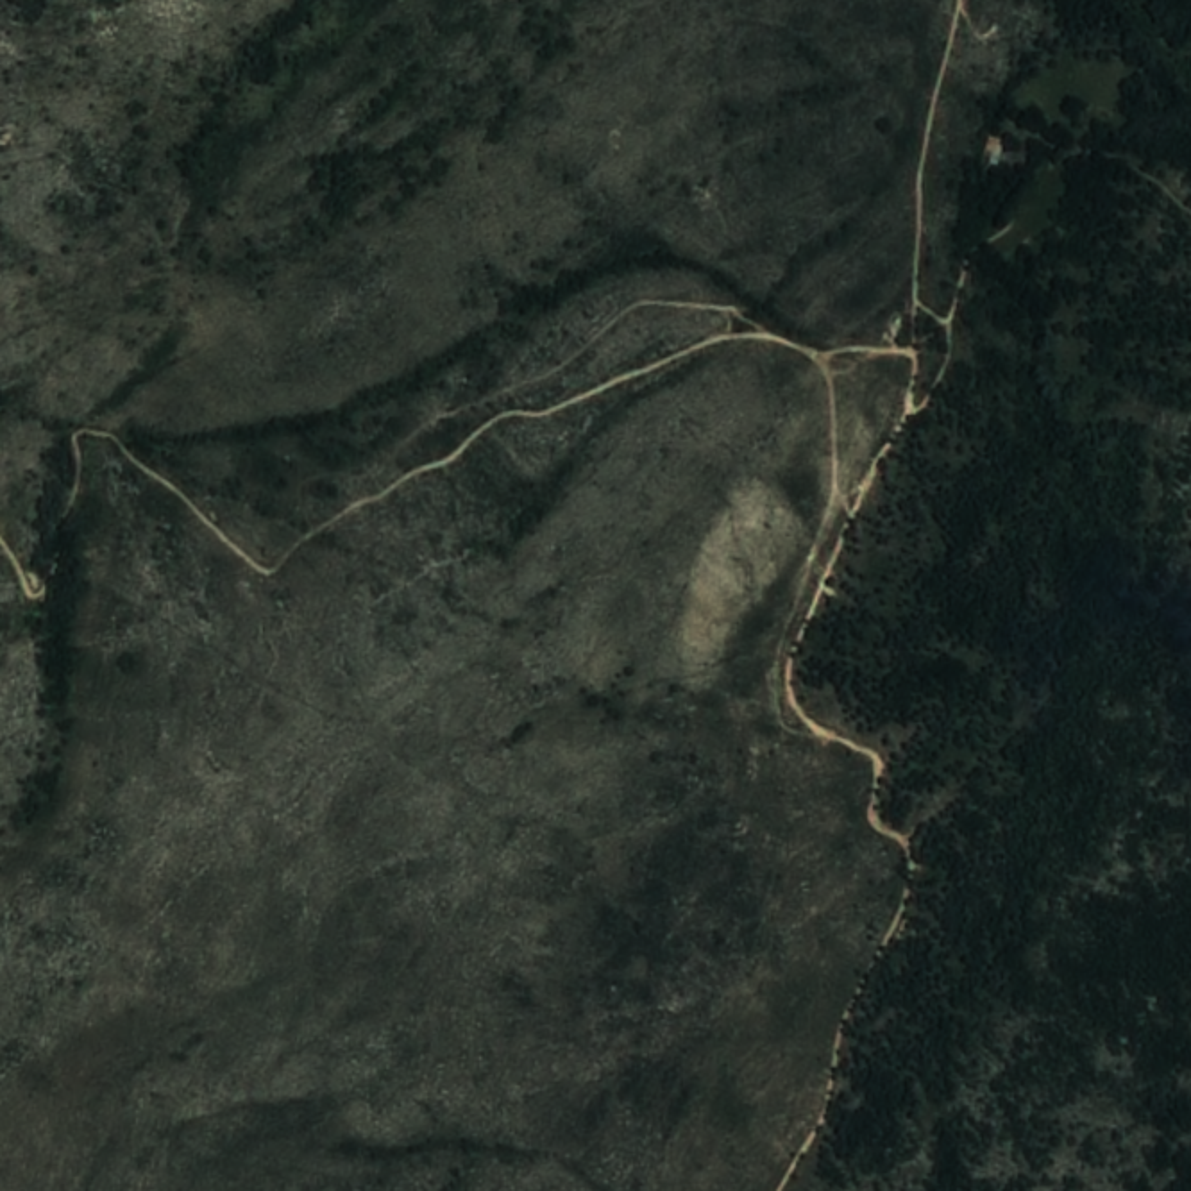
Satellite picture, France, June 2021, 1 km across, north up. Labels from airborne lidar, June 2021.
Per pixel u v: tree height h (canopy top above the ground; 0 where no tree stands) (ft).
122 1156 0
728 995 0
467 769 0
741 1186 0
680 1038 0
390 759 0
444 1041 0
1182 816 22
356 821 0
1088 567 25
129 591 0
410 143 23
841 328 0
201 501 0
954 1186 22
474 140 0
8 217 0
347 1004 0
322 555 0
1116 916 25
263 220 0
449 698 0
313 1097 0
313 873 0
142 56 0
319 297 0
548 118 0
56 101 0
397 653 0
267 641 0
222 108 23
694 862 0
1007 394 22
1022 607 37
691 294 0
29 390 0
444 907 0
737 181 0
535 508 20
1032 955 0
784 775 0
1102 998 21
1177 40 52
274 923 0
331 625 0
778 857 0
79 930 0
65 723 31
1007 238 0
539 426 0
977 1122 21
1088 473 42
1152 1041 22
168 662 0
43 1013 0
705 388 0
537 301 30
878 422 0
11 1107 0
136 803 0
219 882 0
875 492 0
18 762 0
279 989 0
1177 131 39
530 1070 0
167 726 0
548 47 36
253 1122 0
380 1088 0
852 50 0
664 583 0
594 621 0
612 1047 0
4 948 0
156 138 0
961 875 28
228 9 0
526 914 0
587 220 28
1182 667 26
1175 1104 36
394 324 0
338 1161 0
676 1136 0
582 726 0
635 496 0
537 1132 0
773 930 0
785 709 0
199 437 22
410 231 0
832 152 0
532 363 0
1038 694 39
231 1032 0
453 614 0
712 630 0
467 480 0
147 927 0
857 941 0
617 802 0
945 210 0
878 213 0
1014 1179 18
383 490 0
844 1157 21
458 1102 0
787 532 0
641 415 0
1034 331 30
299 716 0
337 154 35
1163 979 22
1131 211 26
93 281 0
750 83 0
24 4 35
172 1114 0
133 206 0
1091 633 23
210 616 0
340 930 0
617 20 0
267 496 0
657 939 0
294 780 0
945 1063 22
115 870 0
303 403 0
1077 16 43
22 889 0
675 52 0
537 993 0
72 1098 0
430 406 0
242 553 0
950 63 0
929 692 40
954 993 36
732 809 0
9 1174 0
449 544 0
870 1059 35
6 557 0
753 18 0
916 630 43
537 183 0
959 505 35
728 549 0
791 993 0
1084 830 24
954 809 36
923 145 0
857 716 36
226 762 0
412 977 0
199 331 0
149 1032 0
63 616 39
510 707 0
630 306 0
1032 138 26
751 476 0
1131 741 23
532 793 0
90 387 0
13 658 0
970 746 44
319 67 0
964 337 0
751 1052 0
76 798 0
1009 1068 22
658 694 0
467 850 0
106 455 0
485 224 0
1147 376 42
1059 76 0
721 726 0
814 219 0
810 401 0
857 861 0
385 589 0
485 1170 0
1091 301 32
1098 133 42
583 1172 0
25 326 0
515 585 0
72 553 35
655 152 0
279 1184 0
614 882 0
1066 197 35
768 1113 0
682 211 0
